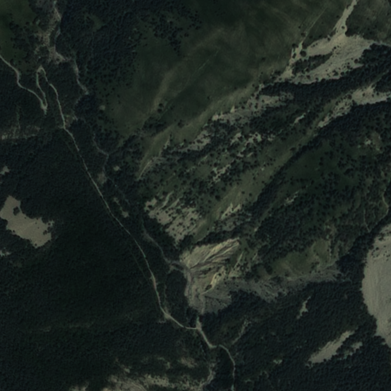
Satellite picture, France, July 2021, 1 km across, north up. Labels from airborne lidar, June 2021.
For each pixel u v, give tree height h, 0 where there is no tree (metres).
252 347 12
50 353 16
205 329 11
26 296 13
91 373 13
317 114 8
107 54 9
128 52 11
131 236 16
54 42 6
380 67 7
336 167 0
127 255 13
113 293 13
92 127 16
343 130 10
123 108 0
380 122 9
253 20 0
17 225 0
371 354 11
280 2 0
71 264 14
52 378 16
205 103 0
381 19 0
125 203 19
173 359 6
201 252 0
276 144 0
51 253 13
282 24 0
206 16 0
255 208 10
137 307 11
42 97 8
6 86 8
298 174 0
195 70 0
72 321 10
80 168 17
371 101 0
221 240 7
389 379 9
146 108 0
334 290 7
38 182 15
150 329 15
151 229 13
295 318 12
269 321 10
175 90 0
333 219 6
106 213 11
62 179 13
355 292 12
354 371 6
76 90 13
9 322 14
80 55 12
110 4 15
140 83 0
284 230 9
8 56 0
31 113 8
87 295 14
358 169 10
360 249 14
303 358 11
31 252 9
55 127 10
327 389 10
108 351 9
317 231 12
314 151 8
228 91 0
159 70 0
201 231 0
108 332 19
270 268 6
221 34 0
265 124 7
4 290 9
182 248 10
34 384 15
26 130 6
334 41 0
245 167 8
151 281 11
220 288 0
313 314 10
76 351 18
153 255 19
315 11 0
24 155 18
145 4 14
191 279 0
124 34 11
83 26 11
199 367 8
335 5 0
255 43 0
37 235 0
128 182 12
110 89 0
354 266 17
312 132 0
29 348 17
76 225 13
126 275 11
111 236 14
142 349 10
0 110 12
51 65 12
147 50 0
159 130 8
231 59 0
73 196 13
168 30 7
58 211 14
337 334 7
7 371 18
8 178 19
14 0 0
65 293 19
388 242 0
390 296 0
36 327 11
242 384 11
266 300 9
